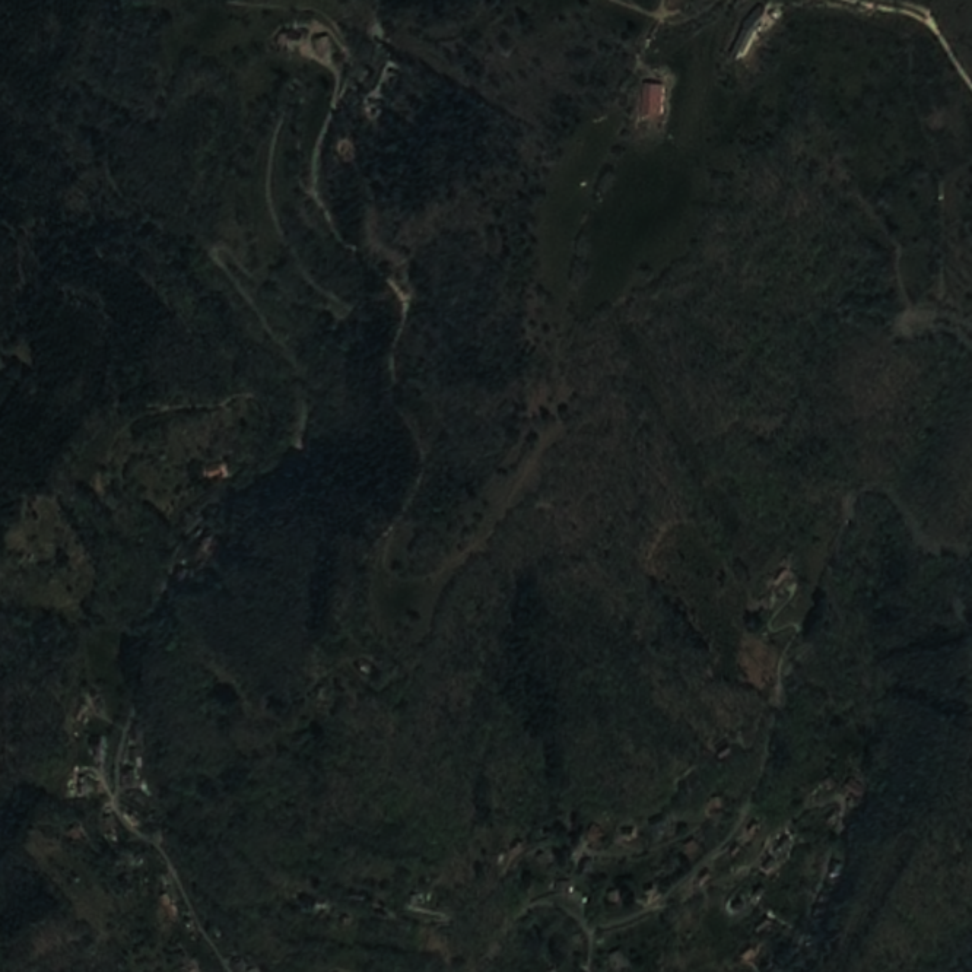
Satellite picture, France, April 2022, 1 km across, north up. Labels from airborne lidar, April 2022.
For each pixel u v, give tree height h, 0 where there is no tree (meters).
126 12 29
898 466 24
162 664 22
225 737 19
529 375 9
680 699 19
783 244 13
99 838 12
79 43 26
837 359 12
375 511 12
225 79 23
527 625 36
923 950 17
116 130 23
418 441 17
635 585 27
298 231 28
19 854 31
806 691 21
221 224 13
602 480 15
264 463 25
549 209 0
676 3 0
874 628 30
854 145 17
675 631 27
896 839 15
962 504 14
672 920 14
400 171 16
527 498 8
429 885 13
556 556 18
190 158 23
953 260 13
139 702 15
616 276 0
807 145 12
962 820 21
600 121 0
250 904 13
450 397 9
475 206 12
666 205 0
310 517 18
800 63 0
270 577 25
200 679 18
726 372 23
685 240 0
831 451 23
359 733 6
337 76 0
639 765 20
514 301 14
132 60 24
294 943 8
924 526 17
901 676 23
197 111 22
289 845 18
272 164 0
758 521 15
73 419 21
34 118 21
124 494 8
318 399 16
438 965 20
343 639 7
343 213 17
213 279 22
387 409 19
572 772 20
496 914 25
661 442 25
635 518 25
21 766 25
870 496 11
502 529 13
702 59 0
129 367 27
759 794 12
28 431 23
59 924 18
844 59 0
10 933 26
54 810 14
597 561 20
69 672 22
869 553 17
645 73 0
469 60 14
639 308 11
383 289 18
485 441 9
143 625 27
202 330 17
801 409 21
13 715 23
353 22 0
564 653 22
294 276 24
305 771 16
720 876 0
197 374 22
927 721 17
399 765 22
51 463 22
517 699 24
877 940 21
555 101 0
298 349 20
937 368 22
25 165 13
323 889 15
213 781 16
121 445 9
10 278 14
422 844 22
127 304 26
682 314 17
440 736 22
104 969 13
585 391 12
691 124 0
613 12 0
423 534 11
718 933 0
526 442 7
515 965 16
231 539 12
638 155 0
